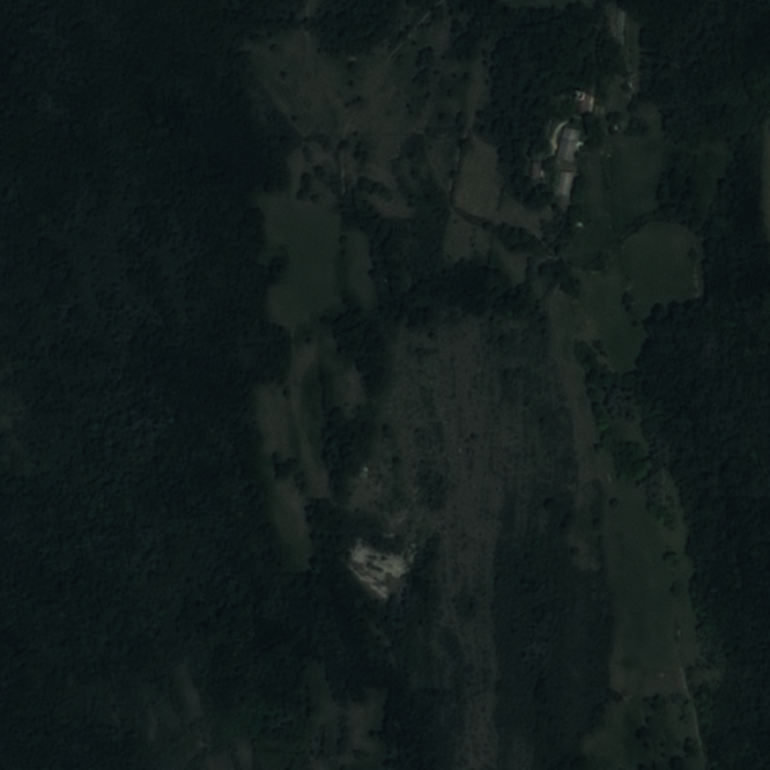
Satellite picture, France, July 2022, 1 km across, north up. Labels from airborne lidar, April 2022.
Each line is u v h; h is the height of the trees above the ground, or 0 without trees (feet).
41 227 21
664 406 45
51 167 26
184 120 61
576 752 23
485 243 0
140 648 58
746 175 66
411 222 27
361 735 0
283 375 28
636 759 0
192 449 37
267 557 38
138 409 39
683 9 77
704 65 63
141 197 27
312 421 0
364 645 58
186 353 50
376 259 35
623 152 0
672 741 0
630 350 0
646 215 22
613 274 0
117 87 43
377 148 0
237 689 52
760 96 34
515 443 0
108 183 38
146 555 34
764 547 47
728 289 66
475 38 40
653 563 0
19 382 22
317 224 0
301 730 27
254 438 35
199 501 51
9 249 26
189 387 53
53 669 35
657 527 0
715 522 65
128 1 37
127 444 44
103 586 49
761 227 72
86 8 43
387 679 46
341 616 59
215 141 59
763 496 71
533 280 26
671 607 0
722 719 24
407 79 0
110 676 32
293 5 18
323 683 0
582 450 0
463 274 37
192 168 39
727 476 56
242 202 47
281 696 36
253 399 18
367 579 0
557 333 0
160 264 23
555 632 26
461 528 0
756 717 76
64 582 23
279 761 0
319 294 0
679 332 68
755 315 62
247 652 34
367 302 0
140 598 26
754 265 47
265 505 54
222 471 55
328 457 54
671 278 0
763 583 65
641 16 55
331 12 30
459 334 0
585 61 22
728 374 52
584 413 0
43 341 43
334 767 0
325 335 0
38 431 19
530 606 17
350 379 0
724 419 73
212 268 17
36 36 68
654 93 57
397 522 0
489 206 0
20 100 61
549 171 46
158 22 43
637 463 40
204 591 52
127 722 28
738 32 53
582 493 0
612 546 0
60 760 58
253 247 39
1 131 73
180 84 37
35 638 28
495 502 0
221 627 34
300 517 0
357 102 24
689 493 49
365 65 0
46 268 28
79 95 49
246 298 30
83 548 37
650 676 0
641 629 0
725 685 20
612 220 0
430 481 33
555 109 20
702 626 29
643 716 0
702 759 0
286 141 37
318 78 0
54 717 60
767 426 58
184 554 28
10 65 78
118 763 49
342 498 18
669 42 60
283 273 56
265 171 50
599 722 45
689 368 63
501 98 23
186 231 21
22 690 53
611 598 19
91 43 36
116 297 35
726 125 23
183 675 0
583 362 23
